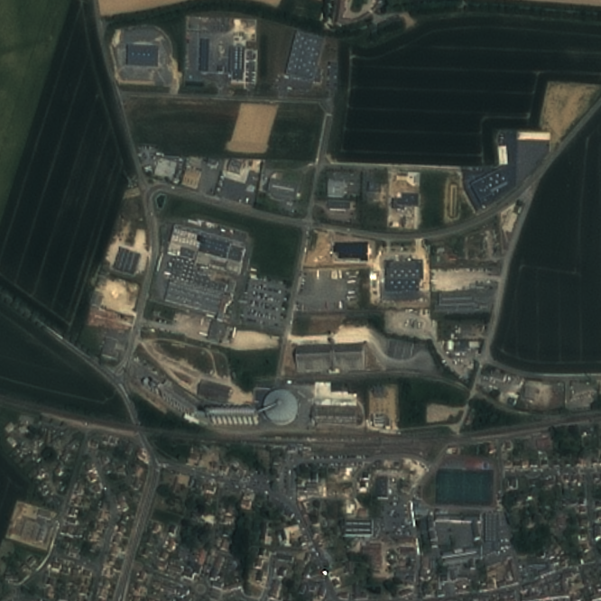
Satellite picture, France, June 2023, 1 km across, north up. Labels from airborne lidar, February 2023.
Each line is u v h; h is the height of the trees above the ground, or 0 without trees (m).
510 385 0
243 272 0
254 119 0
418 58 0
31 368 0
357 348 0
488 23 0
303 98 0
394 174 0
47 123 0
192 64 0
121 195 0
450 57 0
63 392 0
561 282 0
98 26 0
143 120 0
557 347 0
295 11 0
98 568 0
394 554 7
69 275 0
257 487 0
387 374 0
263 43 0
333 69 0
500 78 0
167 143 0
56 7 0
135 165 0
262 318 0
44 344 0
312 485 0
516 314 0
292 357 0
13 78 0
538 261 0
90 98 0
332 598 0
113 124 0
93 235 0
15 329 0
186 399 0
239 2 11
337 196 0
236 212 0
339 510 0
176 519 0
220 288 0
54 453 9
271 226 0
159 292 0
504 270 0
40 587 0
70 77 0
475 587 7
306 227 0
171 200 0
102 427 0
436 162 0
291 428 0
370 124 0
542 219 0
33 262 0
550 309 0
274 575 0
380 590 0
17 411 0
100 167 0
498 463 0
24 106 0
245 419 0
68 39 0
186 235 0
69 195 0
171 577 0
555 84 0
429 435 0
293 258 0
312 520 6
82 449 0
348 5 0
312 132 0
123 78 0
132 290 0
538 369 0
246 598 0
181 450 0
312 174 0
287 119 0
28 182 0
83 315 0
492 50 0
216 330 0
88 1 0
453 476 0
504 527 0
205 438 0
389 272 0
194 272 0
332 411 0
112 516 0
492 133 0
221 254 0
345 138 0
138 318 0
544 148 0
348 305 0
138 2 0
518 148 0
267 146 0
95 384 0
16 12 0
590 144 0
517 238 0
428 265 0
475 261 0
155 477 0
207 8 11
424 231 0
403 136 0
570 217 0
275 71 0
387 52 0
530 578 0
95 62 0
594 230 0
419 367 0
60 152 0
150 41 0
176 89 0
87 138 0
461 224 0
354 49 0
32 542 0
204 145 0
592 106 0
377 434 0
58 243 0
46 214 0
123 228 0
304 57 0
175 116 0
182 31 0
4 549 0
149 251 0
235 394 0
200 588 0
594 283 0
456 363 0
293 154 0
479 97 0
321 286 0
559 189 0
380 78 0
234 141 0
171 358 0
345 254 0
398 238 0
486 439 0
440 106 0
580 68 0
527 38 0
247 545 16
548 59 0
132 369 0
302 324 0
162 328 0
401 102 0
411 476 0
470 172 0
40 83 0
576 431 17
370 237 0
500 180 0
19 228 0
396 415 0
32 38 0
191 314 0
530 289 0
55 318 0
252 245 0
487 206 0
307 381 0
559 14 10
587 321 0
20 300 11
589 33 0
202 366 0
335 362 0
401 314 0
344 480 0
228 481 0
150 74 0
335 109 0
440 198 0
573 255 0
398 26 14
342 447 0
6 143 0
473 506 0
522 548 7
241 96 0
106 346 0
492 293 0
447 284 0
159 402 0
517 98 0
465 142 0
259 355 0
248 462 6
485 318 9
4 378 0
